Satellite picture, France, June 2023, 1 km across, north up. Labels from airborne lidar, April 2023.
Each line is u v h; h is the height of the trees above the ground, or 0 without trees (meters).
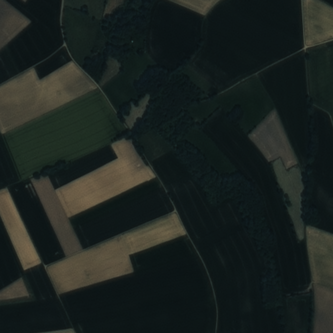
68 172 0
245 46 0
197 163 24
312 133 25
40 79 0
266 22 0
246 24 0
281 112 0
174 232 0
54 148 0
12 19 0
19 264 0
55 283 0
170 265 0
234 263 0
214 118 0
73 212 0
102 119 0
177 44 0
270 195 0
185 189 0
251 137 0
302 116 0
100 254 0
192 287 0
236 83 0
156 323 0
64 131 0
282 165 0
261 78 0
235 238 0
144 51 6
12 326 0
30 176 0
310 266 0
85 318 0
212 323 0
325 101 0
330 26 0
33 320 0
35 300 0
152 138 0
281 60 0
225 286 0
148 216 0
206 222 0
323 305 0
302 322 0
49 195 0
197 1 0
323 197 0
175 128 11
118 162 0
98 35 0
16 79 0
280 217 0
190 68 0
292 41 0
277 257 0
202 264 0
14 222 0
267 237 32
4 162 0
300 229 0
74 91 0
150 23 0
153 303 0
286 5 0
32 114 0
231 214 0
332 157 0
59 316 0
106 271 0
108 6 0
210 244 0
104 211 0
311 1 0
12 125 0
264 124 0
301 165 0
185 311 0
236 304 0
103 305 0
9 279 0
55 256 0
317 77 0
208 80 0
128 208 0
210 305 0
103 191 0
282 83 0
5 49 0
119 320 0
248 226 24
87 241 0
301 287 0
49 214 0
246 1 0
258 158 0
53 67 0
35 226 0
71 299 0
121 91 0
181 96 20
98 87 0
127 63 0
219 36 0
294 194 0
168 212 0
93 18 8
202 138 0
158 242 0
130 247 0
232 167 0
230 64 0
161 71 23
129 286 0
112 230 0
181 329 0
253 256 0
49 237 0
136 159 0
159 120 15
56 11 0
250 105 0
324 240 0
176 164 0
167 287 0
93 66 20
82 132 0
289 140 0
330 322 0
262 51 0
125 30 23
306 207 19
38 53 0
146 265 0
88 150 0
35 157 0
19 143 0
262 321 0
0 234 0
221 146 0
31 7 0
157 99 16
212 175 29
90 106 0
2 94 0
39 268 0
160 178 0
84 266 0
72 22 0
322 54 0
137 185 0
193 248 0
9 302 0
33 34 0
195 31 0
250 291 0
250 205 30
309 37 0
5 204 0
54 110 0
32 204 0
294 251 0
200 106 0
